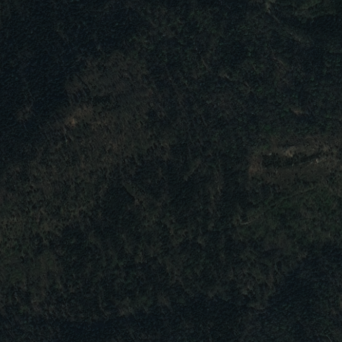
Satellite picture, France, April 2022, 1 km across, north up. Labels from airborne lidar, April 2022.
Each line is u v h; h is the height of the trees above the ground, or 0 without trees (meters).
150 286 28
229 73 25
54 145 22
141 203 10
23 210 14
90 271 28
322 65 28
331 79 30
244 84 21
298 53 37
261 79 22
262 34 28
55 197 23
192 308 32
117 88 23
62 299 7
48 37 26
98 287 30
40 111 32
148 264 26
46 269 28
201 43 30
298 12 10
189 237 24
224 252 29
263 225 19
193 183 25
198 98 32
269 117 30
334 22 24
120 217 27
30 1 31
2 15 24
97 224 34
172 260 26
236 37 28
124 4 28
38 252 27
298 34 26
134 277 21
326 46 27
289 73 34
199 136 22
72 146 24
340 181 7
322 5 21
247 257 23
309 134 0
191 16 33
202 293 18
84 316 33
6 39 26
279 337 26
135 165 24
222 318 33
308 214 14
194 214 29
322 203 9
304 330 29
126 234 23
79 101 26
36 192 14
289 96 32
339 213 17
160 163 29
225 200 25
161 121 26
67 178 20
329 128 15
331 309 16
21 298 33
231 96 27
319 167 0
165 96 30
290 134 14
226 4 29
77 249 23
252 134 23
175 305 28
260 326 29
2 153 26
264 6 21
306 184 22
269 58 29
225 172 22
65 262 24
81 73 18
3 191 28
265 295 27
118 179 25
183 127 27
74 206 25
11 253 18
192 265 28
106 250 24
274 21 27
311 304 32
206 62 24
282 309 33
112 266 22
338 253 31
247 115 31
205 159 23
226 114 30
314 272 27
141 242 27
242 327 30
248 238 13
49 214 24
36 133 24
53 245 25
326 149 0
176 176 27
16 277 27
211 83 27
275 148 0
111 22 27
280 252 27
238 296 23
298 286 25
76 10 29
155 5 23
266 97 27
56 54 28
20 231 8
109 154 16
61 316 29
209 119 28
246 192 27
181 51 30
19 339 35
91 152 19
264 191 27
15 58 27
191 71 30
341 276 13
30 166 22
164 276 33
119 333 34
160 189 25
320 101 32
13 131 28
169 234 24
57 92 25
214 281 29
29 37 28
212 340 35
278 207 10
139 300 20
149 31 29
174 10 30
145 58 30
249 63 30
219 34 32
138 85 13
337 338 26
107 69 8
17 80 27
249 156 20
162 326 25
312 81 35
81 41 28
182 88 30
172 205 25
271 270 30
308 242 23
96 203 21
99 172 23
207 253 25
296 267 24
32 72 28
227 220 23
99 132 21
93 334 35
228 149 27
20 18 28
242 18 28
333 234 22
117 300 8
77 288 27
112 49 28
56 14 26
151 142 20
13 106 25
